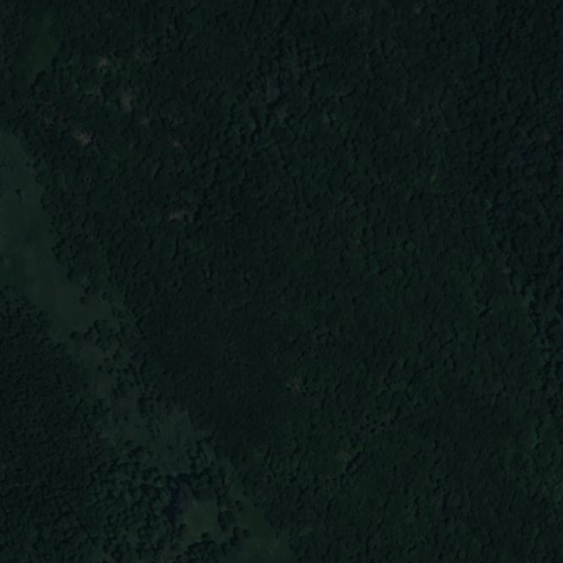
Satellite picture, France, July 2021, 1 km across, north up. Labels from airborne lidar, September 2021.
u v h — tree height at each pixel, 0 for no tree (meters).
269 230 32
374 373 28
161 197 26
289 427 31
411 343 27
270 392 27
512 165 17
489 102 25
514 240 15
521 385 20
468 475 29
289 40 33
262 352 26
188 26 31
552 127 23
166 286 33
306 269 31
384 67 35
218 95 29
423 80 28
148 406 15
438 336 24
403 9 26
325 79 30
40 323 7
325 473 29
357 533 33
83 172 24
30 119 29
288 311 32
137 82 29
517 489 27
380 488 31
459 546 31
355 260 34
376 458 32
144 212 27
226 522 22
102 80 22
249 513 0
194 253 34
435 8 19
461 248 39
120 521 18
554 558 25
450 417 26
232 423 27
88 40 25
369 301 33
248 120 29
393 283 28
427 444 26
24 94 11
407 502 29
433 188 28
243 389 25
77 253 18
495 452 22
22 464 28
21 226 0
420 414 26
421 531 30
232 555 8
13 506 19
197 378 28
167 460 0
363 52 26
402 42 25
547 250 22
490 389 25
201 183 38
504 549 30
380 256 31
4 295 20
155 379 17
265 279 30
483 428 26
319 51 28
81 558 17
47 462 13
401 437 28
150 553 23
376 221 28
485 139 9
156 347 29
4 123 8
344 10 30
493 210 11
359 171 22
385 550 30
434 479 32
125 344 14
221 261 31
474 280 21
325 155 27
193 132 31
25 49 29
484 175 9
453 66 26
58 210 17
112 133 23
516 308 30
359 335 28
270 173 27
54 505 28
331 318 29
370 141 28
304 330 30
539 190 11
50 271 0
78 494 27
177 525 12
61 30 10
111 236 23
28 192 0
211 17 12
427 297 22
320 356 29
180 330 29
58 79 22
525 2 30
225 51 10
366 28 26
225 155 30
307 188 27
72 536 18
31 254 0
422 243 31
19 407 25
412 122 24
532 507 19
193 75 26
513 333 30
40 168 20
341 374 25
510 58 26
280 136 26
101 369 15
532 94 12
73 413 22
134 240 26
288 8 28
